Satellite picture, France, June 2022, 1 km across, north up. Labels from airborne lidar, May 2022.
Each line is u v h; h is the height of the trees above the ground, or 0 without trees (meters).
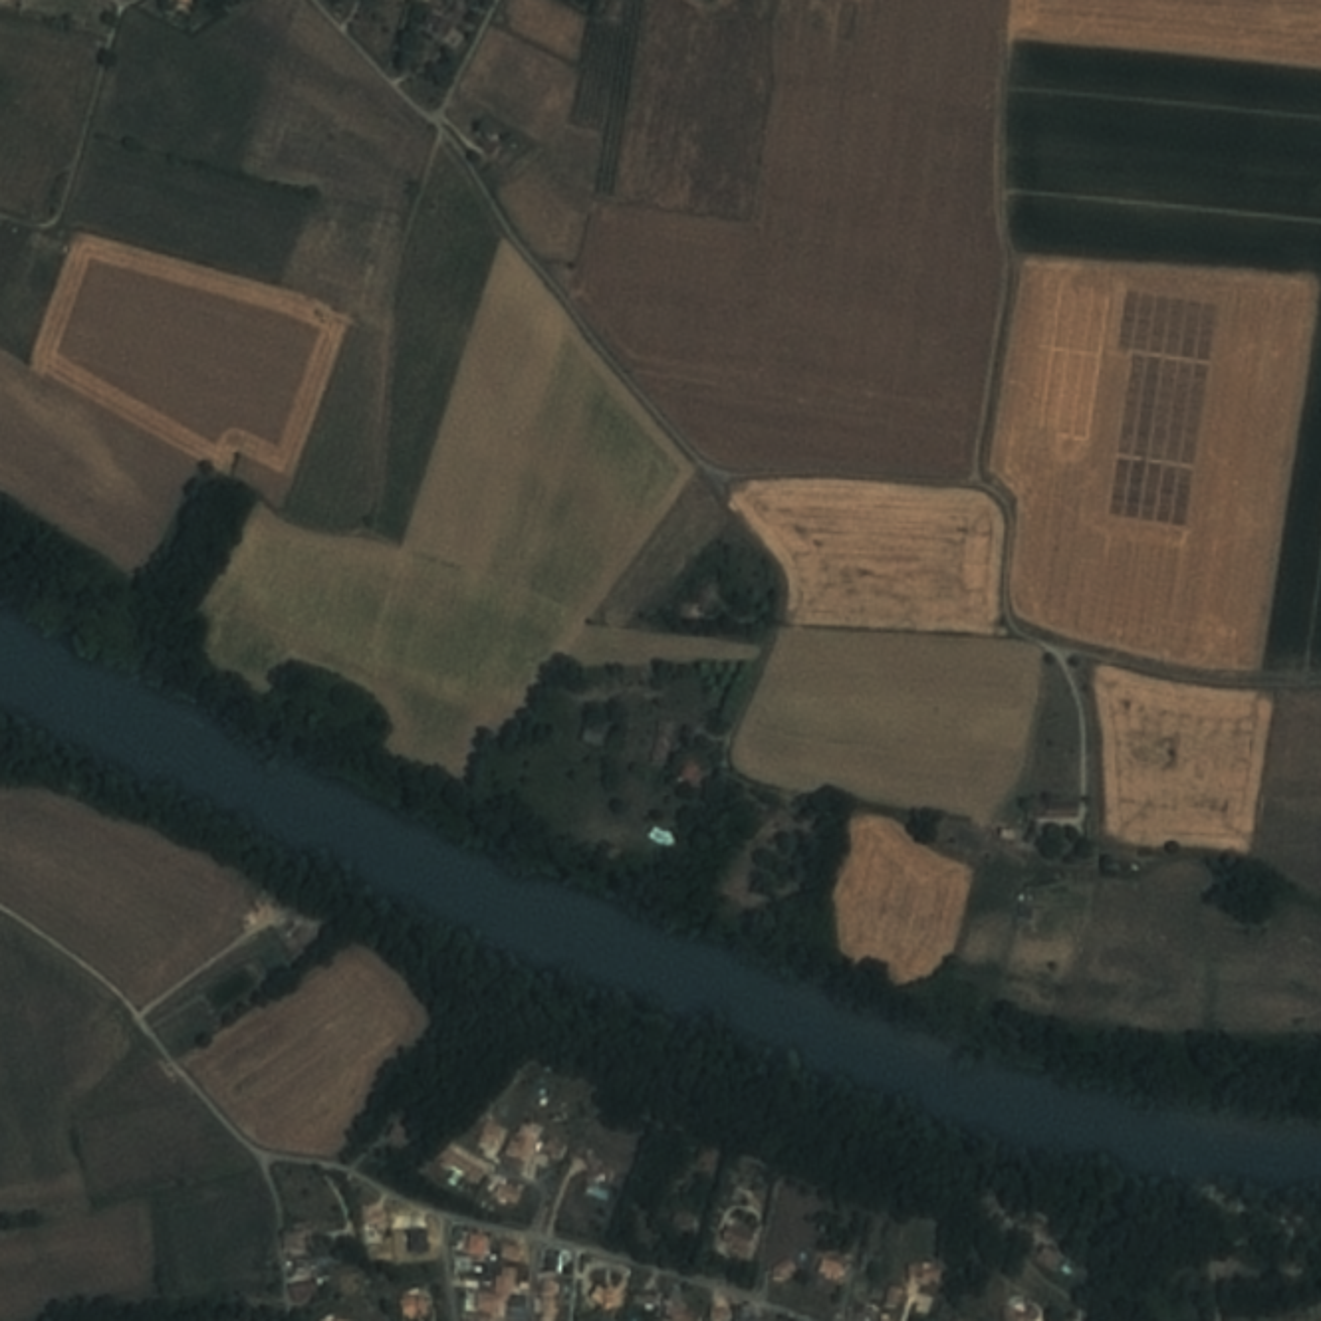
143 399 0
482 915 0
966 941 0
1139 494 0
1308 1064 12
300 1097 0
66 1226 0
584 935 0
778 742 0
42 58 0
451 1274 0
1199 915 0
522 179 0
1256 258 0
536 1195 0
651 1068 25
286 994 16
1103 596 0
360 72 0
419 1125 13
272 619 0
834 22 0
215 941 0
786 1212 0
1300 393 0
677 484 0
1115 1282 20
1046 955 0
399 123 0
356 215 0
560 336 0
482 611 0
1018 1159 32
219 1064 0
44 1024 0
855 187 0
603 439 0
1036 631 0
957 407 0
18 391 0
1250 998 0
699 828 12
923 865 0
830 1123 29
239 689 20
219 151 0
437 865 0
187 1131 0
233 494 20
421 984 20
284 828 0
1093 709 0
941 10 0
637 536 0
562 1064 20
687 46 0
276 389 0
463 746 0
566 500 0
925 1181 17
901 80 0
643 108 0
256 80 0
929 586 0
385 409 0
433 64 10
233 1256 0
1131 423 0
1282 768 0
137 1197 0
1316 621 0
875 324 0
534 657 0
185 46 0
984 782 0
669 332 0
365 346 0
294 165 0
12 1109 0
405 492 0
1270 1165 0
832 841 19
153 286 0
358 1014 0
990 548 0
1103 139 0
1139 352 0
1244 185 0
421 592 0
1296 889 6
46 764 17
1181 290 0
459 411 0
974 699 0
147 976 0
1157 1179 16
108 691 0
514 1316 0
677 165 0
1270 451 0
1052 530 0
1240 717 0
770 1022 0
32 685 0
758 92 0
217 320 0
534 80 0
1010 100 0
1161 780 0
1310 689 0
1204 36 0
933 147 0
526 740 8
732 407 0
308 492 0
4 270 0
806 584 0
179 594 14
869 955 0
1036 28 0
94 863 0
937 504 0
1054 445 0
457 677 0
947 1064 0
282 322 0
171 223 0
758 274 0
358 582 0
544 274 0
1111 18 0
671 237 0
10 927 0
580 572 0
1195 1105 8
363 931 7
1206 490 0
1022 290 0
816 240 0
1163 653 0
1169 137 0
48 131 0
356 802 0
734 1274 13
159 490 0
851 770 0
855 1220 9
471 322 0
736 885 0
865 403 0
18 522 31
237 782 0
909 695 0
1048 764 0
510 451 0
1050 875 0
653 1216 11
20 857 0
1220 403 0
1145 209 0
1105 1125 0
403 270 0
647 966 0
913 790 0
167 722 0
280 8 0
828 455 0
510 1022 23
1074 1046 23
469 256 0
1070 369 0
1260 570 0
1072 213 0
